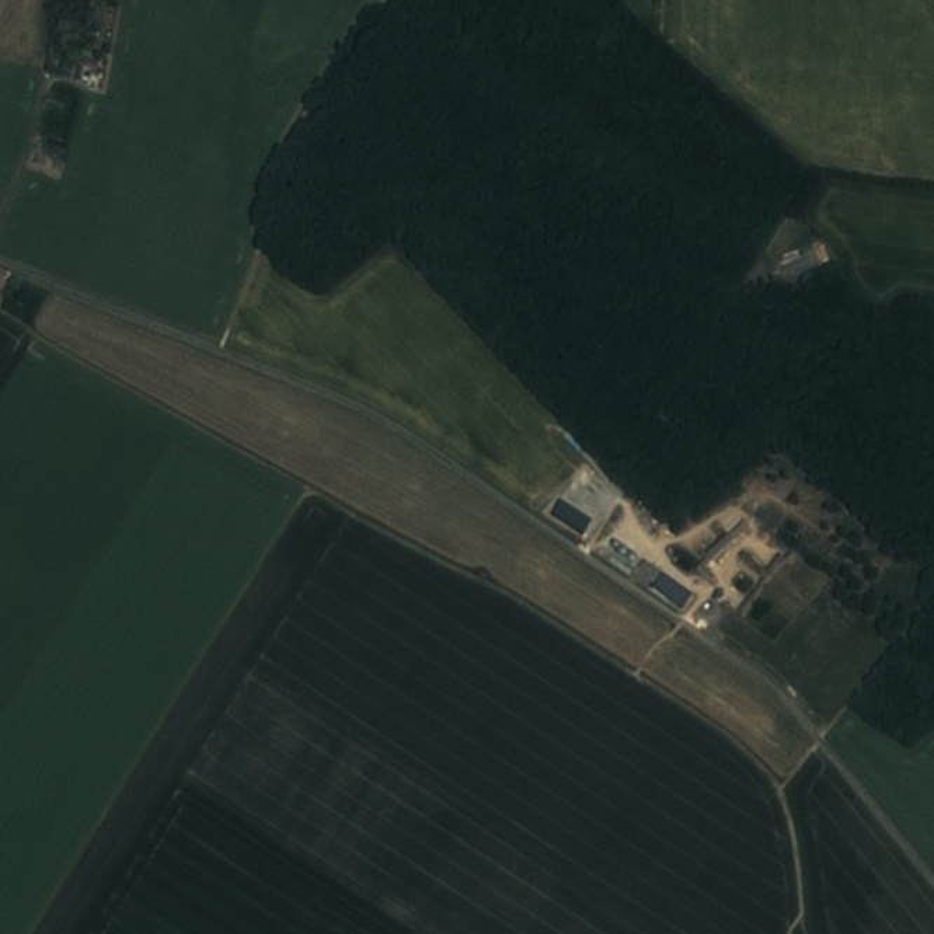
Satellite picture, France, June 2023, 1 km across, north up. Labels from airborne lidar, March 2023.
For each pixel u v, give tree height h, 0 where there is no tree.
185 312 0
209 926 0
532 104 22
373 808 0
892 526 19
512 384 0
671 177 8
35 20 0
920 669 20
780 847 0
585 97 10
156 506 0
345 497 0
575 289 22
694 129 7
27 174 0
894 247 0
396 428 0
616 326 23
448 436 0
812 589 0
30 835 0
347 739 0
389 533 0
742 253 21
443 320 0
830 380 12
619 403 21
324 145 22
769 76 0
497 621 0
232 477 0
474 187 19
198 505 0
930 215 0
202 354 0
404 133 21
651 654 0
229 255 0
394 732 0
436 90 24
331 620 0
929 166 0
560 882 0
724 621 0
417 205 22
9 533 0
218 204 0
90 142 0
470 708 0
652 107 7
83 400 0
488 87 25
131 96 0
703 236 19
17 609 0
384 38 21
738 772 0
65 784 0
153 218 0
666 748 0
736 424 21
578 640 0
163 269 0
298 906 0
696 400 20
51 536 0
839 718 0
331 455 0
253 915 0
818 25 0
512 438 0
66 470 0
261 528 0
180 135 0
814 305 11
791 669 0
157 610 0
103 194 0
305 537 0
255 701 0
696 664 0
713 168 10
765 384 23
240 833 0
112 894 0
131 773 0
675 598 0
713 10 0
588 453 12
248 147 0
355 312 0
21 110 0
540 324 14
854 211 0
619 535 0
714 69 0
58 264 0
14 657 0
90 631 0
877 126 0
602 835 0
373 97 21
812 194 9
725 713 0
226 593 0
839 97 0
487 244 19
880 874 0
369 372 0
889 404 11
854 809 0
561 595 0
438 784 0
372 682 0
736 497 19
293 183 21
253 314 0
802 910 0
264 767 0
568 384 18
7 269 0
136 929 0
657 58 7
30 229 0
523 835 0
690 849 0
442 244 18
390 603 0
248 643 0
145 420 0
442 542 0
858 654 0
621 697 0
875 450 11
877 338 13
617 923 0
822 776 0
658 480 19
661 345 22
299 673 0
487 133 23
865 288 0
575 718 0
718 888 0
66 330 0
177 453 0
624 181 19
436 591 0
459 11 16
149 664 0
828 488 16
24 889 0
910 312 8
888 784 0
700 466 23
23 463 0
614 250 22
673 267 22
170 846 0
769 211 9
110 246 0
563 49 8
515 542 0
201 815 0
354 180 23
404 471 0
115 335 0
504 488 0
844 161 0
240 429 0
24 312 6
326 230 22
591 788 0
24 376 0
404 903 0
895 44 0
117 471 0
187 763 0
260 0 0
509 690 0
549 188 21
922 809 0
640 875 0
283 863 0
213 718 0
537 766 0
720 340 18
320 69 0
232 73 0
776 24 0
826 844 0
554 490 0
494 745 0
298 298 0
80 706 0
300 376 0
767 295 12
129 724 0
